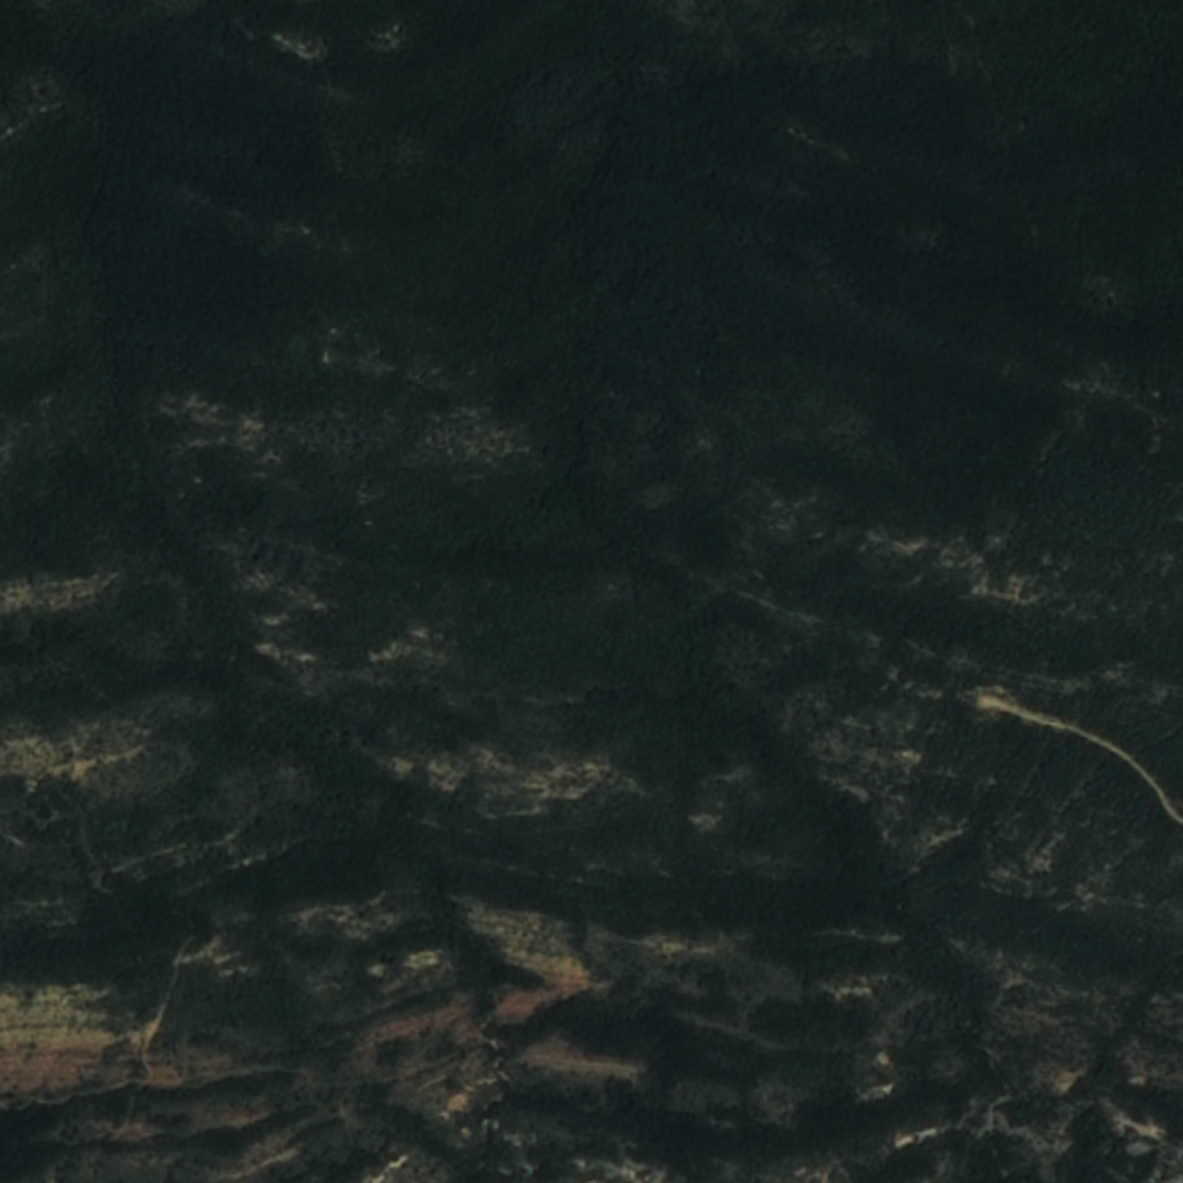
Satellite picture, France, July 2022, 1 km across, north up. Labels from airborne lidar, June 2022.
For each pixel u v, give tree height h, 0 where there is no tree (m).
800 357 7
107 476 7
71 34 8
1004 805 6
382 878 7
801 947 6
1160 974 6
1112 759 6
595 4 10
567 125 9
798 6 6
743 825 8
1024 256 7
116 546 6
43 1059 0
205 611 8
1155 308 11
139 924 7
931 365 6
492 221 9
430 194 9
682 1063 7
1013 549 6
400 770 0
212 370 6
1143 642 6
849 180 7
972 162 6
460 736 6
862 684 8
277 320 6
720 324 6
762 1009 7
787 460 6
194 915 5
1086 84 10
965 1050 6
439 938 7
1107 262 8
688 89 8
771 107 6
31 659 7
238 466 6
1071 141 9
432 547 7
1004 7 6
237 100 9
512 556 9
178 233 9
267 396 6
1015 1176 8
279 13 8
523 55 8
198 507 6
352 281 6
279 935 5
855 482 6
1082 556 7
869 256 7
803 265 7
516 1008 0
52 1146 5
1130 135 8
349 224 8
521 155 9
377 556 6
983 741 6
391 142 5
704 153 7
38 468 7
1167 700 7
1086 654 5
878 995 11
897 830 6
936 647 6
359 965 6
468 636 7
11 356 7
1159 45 14
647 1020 8
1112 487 8
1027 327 7
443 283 8
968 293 9
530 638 7
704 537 6
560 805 5
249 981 9
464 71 7
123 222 10
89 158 9
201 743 8
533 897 5
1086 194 6
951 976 6
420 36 7
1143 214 9
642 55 6
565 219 10
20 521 9
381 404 6
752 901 6
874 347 6
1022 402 7
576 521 10
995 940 6
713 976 7
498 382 9
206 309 10
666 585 9
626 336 6
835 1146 6
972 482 7
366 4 8
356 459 8
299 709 6
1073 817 6
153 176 6
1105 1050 6
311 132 8
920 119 6
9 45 7
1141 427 7
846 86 7
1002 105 8
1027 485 6
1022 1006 7
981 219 7
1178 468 6
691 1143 6
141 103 8
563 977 0
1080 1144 8
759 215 7
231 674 6
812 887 8
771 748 8
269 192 6
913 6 6
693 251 8
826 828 7
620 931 7
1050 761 7
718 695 9
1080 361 6
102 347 9
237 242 9
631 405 6
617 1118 6
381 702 7
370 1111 6
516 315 7
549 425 7
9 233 8
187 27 5
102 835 6
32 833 6
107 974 7
